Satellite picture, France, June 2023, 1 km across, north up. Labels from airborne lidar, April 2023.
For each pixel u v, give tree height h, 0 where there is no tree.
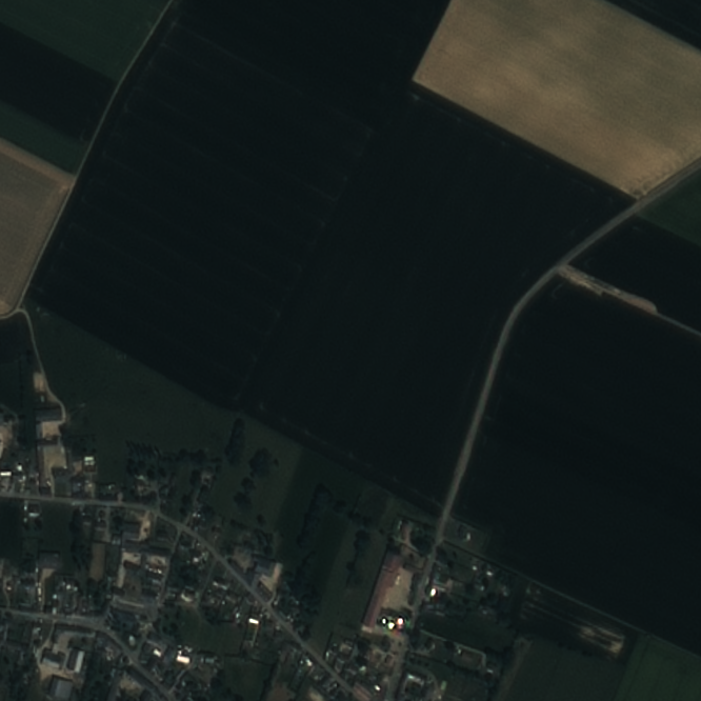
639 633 0
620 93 0
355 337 0
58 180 0
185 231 0
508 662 16
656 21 0
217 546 0
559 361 0
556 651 0
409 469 0
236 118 0
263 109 0
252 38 0
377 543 0
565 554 0
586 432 0
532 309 0
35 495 0
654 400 0
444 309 0
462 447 0
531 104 0
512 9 0
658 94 0
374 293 0
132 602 0
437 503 0
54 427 0
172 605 7
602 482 0
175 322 0
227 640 0
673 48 0
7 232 0
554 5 0
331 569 0
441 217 0
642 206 0
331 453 0
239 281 0
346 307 0
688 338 0
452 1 0
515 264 0
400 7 0
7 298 0
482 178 0
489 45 0
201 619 0
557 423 0
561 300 0
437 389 0
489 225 0
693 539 0
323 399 0
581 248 0
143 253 0
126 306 0
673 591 0
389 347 0
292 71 0
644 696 0
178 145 0
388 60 0
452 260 0
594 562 0
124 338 0
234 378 0
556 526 0
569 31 0
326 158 0
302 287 0
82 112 0
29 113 0
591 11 0
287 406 0
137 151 0
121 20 0
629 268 0
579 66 0
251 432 0
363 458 0
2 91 0
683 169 0
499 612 10
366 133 0
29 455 0
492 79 0
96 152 0
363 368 0
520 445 0
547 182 0
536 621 0
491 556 0
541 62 0
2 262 0
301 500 0
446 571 0
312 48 0
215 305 0
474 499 0
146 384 0
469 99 0
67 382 0
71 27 0
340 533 0
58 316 0
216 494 0
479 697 0
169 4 0
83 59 0
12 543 0
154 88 0
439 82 0
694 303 0
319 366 0
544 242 0
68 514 0
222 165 0
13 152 0
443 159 0
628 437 0
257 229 0
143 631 0
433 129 0
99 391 0
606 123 0
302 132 0
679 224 0
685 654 0
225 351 0
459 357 0
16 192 0
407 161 0
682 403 0
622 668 0
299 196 0
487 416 0
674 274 0
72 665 0
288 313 0
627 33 0
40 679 0
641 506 0
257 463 17
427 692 0
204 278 0
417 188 0
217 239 0
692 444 0
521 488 0
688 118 0
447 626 0
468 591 13
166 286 0
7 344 0
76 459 0
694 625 0
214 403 0
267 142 0
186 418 0
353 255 0
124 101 0
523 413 0
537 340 0
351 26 0
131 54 0
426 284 0
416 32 0
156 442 0
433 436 0
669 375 0
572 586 0
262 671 0
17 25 0
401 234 0
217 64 0
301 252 0
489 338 0
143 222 0
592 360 0
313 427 0
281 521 0
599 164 0
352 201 0
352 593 0
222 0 0
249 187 0
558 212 0
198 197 0
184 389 0
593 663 0
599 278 0
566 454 0
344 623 0
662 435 0
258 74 0
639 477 0
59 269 0
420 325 0
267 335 0
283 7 0
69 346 0
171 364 0
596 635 0
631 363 0
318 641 0
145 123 0
